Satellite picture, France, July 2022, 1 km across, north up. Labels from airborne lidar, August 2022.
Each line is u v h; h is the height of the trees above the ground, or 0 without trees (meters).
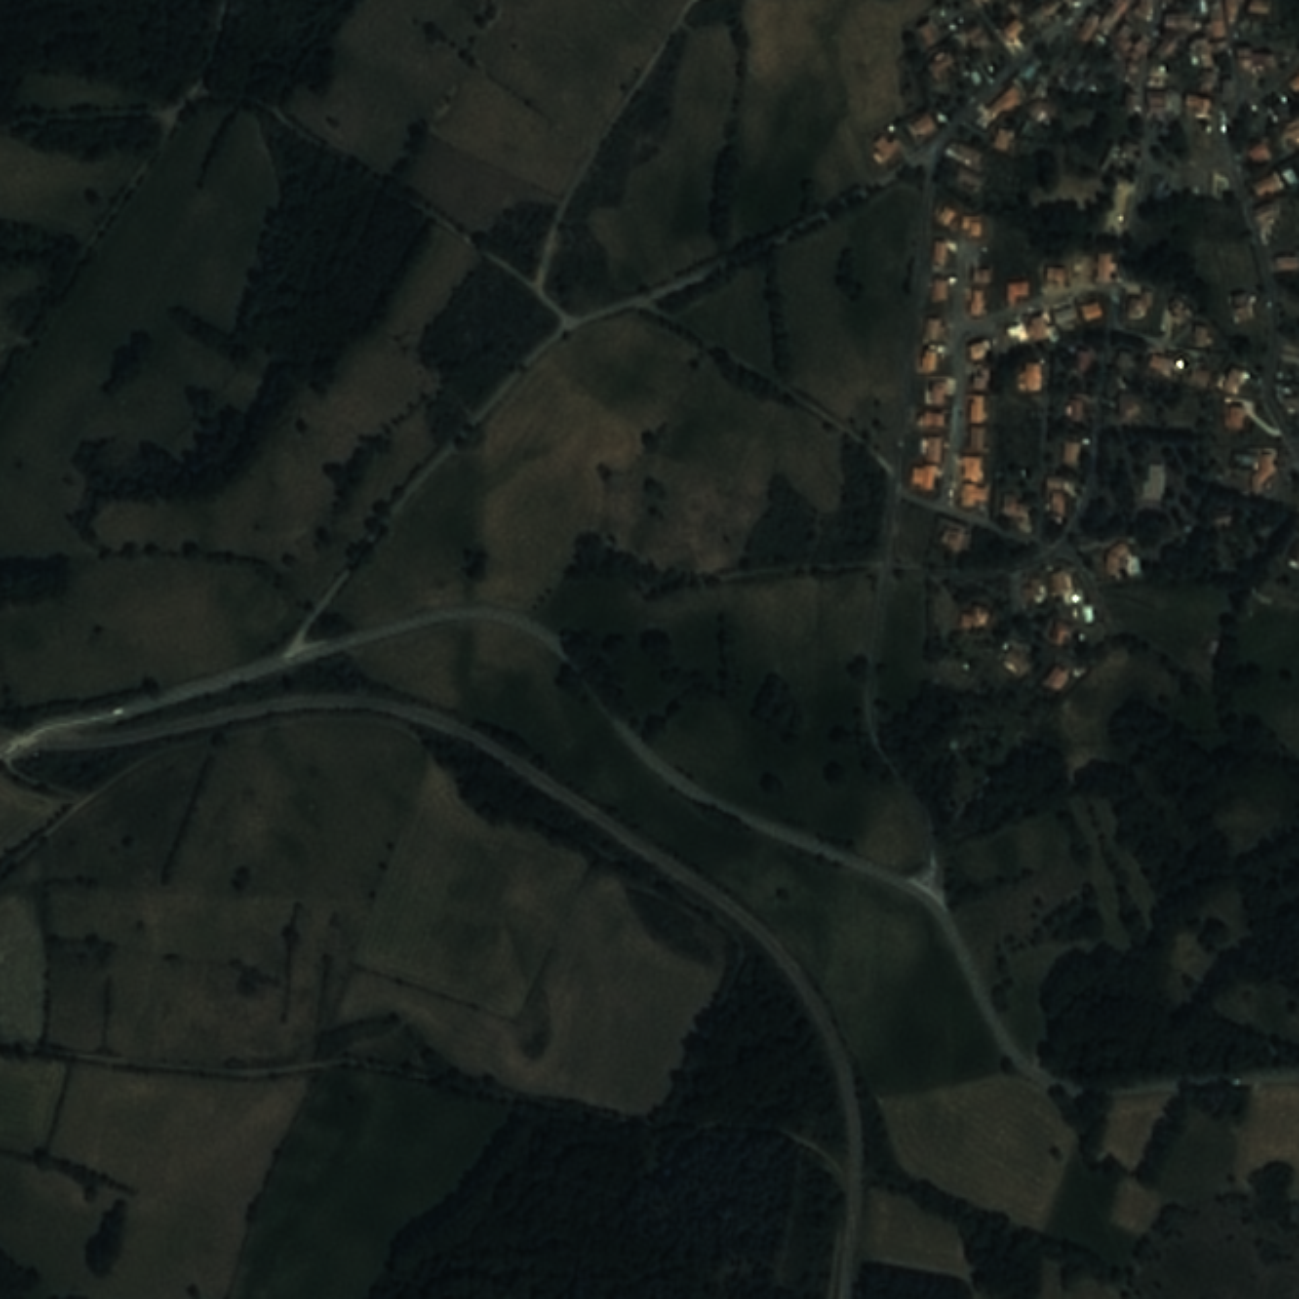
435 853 0
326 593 0
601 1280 13
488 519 0
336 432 0
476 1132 0
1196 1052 13
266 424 13
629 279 0
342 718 0
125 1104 0
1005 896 0
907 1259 0
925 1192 13
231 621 0
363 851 0
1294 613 0
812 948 0
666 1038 0
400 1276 15
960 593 7
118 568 0
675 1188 23
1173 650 0
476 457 0
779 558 8
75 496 0
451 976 0
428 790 0
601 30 0
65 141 7
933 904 0
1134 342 12
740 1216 19
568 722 0
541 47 0
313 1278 0
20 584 22
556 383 0
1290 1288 0
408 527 0
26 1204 0
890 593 0
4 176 0
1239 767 24
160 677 0
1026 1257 15
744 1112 11
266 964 0
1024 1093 0
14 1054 10
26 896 0
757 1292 12
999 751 10
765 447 0
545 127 0
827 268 0
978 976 0
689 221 0
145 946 0
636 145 0
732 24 8
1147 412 0
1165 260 13
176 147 0
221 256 0
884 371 0
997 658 0
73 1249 0
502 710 0
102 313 0
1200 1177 0
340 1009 0
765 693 9
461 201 0
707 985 0
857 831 0
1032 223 10
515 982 0
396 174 8
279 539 0
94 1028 0
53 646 0
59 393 0
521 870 0
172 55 20
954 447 0
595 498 0
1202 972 0
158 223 0
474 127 0
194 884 0
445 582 0
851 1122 0
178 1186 0
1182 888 7
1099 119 10
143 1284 0
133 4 10
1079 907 6
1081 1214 0
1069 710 0
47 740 0
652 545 0
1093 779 19
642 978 0
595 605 0
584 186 0
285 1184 0
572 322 0
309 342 14
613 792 0
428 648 0
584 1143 20
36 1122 0
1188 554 14
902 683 0
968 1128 0
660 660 17
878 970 0
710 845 0
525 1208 14
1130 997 18
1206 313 7
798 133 0
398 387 0
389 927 0
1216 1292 0
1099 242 13
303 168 9
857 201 12
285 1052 0
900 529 0
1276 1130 0
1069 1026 21
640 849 0
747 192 0
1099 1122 19
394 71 0
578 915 0
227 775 0
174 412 0
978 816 12
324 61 13
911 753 16
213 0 22
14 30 21
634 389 0
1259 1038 14
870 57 0
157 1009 0
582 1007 0
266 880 0
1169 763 15
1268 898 14
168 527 0
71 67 12
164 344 0
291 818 0
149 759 0
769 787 16
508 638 0
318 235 12
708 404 0
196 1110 0
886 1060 0
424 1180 0
